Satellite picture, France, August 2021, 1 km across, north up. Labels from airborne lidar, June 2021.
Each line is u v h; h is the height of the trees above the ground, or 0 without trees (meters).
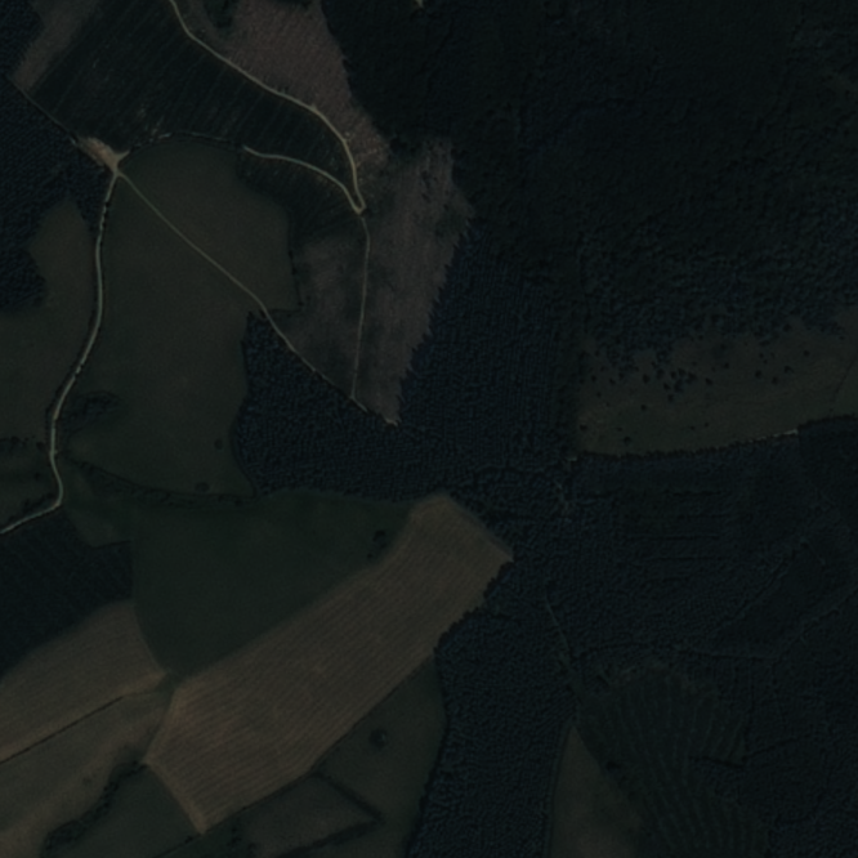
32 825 0
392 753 0
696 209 15
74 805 0
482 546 0
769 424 0
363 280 0
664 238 16
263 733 0
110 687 0
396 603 0
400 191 0
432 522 0
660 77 22
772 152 9
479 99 18
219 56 0
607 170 21
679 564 14
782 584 11
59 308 0
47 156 12
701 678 12
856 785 29
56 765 0
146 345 0
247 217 0
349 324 0
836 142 7
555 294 14
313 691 0
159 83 0
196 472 0
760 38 16
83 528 0
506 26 15
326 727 0
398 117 24
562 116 12
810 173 9
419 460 16
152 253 0
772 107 13
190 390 0
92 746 0
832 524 14
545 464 19
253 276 0
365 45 25
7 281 21
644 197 17
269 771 0
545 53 20
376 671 0
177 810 0
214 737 0
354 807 0
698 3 16
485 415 19
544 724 20
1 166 21
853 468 8
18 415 0
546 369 18
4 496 0
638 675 16
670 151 23
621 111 23
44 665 0
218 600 0
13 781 0
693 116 27
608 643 20
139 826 0
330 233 0
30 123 19
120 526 0
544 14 15
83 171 18
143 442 0
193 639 0
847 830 27
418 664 0
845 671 15
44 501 6
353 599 0
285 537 0
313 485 21
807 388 0
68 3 0
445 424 17
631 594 24
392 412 0
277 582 0
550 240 18
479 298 23
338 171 0
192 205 0
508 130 21
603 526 23
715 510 11
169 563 0
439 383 17
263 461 12
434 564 0
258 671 0
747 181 12
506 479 20
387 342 0
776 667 11
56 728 0
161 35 0
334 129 0
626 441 6
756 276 11
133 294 0
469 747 16
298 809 0
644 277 9
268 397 15
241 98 0
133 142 0
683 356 0
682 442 0
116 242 0
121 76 0
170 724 0
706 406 0
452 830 20
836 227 8
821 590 11
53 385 0
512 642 22
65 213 0
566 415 7
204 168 0
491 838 16
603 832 0
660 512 12
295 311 0
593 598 25
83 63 0
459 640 16
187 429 0
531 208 26
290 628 0
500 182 26
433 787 12
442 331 18
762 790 15
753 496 12
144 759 0
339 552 0
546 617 20
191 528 0
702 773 14
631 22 16
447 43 17
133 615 0
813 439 12
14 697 0
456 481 18
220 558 0
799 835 24
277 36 0
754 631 10
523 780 20
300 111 0
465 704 20
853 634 14
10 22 18
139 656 0
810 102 11
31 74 0
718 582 13
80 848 0
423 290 0
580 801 0
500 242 18
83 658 0
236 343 0
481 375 19
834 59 10
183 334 0
